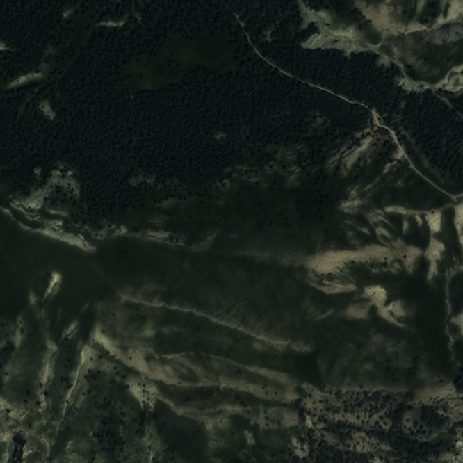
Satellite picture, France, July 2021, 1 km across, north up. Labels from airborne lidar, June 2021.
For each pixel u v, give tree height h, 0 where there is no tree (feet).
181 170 47
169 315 0
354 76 40
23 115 17
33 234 0
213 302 0
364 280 0
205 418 0
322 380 0
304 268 0
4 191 0
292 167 0
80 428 0
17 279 0
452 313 0
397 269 0
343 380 0
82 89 45
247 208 0
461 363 0
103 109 46
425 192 0
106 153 20
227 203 0
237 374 0
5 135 31
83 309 0
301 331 0
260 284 0
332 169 0
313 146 40
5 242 0
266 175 0
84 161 24
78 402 0
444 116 45
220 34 0
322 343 0
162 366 0
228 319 0
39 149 36
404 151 0
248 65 36
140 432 33
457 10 0
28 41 33
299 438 29
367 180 0
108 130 62
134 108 24
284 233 0
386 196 0
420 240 0
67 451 0
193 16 69
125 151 44
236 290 0
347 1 0
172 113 50
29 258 0
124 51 52
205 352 0
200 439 0
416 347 0
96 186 44
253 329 0
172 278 0
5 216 0
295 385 0
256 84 39
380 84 45
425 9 0
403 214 0
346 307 0
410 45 0
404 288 0
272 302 0
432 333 0
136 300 0
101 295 0
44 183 22
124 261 0
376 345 0
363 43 0
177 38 0
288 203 0
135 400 0
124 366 0
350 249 0
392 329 0
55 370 0
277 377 0
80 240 0
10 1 65
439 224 0
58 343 0
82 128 36
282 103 40
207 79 47
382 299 0
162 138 34
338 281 0
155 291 0
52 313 0
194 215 0
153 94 35
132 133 34
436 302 0
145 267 0
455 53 0
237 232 0
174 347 0
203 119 57
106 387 0
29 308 0
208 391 0
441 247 0
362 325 0
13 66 33
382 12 0
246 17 44
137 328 0
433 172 0
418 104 32
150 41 40
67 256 0
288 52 51
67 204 0
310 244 0
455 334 0
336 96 49
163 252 0
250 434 0
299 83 56
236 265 0
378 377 0
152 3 54
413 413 0
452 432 36
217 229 0
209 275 0
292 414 0
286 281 0
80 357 0
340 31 0
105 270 0
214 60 0
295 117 29
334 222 0
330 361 0
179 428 0
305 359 0
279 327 0
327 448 28
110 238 0
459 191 0
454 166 45
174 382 0
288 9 32
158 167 24
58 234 0
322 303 0
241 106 50
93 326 0
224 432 0
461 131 27
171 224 0
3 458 0
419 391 0
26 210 0
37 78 0
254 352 0
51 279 0
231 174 30
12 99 36
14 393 0
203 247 0
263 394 0
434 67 0
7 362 0
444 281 0
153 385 0
